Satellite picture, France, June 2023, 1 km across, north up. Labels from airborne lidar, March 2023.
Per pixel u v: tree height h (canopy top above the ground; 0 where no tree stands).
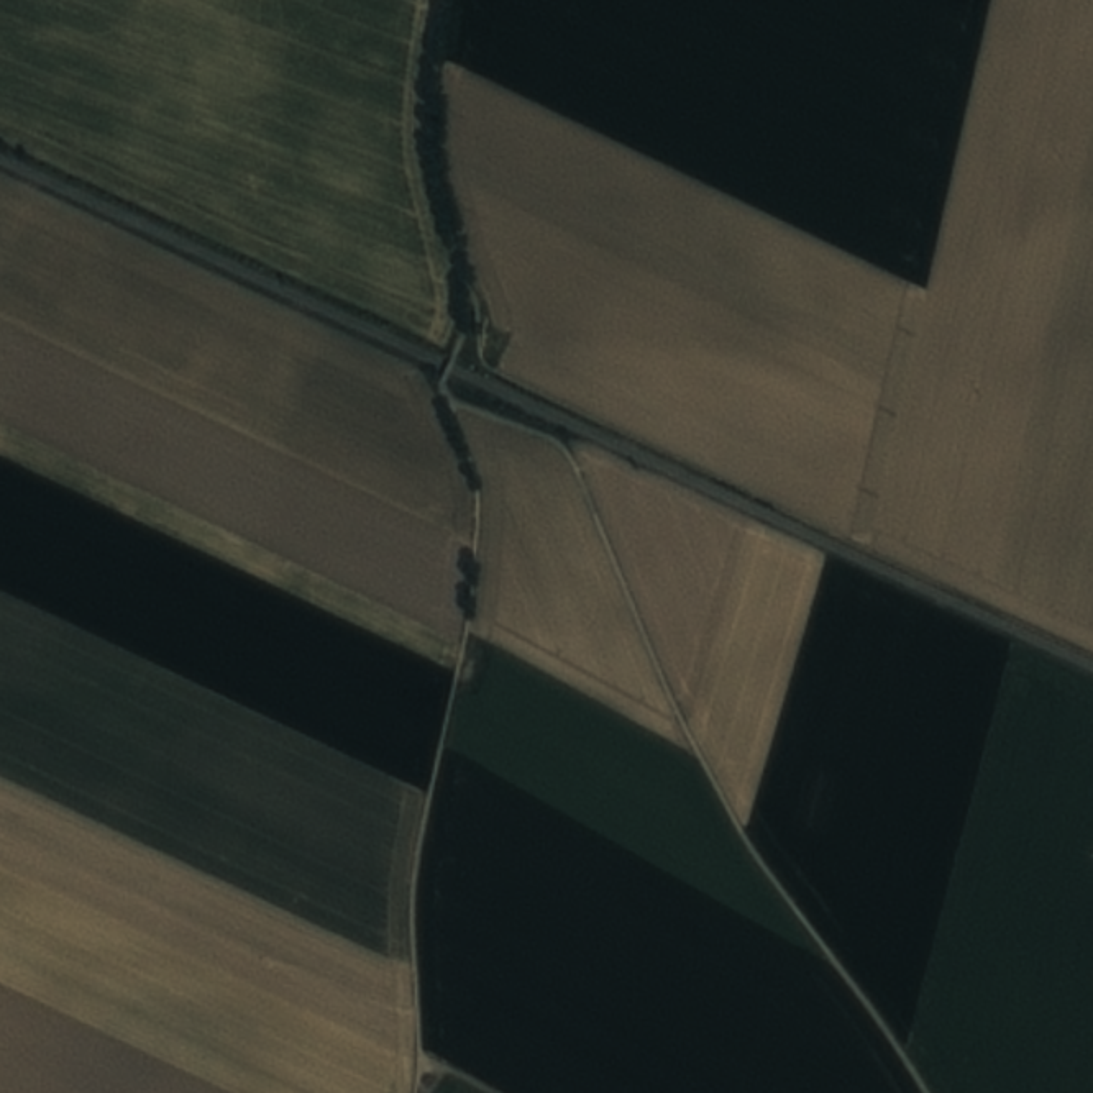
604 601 0
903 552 0
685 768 0
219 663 0
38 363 0
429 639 0
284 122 0
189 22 0
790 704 0
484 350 0
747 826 0
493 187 0
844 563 0
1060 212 0
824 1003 0
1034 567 0
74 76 0
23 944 0
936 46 0
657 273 0
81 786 0
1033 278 0
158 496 0
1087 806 0
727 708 0
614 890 0
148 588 0
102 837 0
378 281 0
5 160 0
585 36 0
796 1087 0
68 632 0
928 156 0
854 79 0
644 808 0
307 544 0
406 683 0
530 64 0
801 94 0
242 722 0
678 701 0
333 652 0
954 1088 0
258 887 0
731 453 0
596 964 0
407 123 0
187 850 0
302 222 0
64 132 0
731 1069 0
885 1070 0
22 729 0
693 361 0
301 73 0
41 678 0
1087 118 0
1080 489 0
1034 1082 0
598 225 0
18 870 0
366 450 0
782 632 0
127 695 0
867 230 0
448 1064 0
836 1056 0
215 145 0
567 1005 0
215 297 0
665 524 0
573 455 0
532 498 0
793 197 0
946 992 0
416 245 0
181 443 0
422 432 0
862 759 0
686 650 0
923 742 0
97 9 0
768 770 0
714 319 0
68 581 0
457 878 0
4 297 0
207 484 0
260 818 0
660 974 0
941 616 0
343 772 0
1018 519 0
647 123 0
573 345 0
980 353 0
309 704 0
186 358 0
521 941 0
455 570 0
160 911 0
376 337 0
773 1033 0
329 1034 0
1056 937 0
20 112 0
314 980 0
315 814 0
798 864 0
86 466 0
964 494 0
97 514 0
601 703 0
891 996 0
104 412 0
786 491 0
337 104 0
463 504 0
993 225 0
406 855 0
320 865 0
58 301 0
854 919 0
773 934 0
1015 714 0
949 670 0
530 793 0
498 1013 0
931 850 0
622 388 0
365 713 0
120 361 0
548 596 0
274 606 0
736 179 0
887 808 0
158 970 0
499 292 0
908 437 0
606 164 0
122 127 0
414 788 0
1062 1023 0
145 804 0
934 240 0
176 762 0
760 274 0
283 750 0
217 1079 0
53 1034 0
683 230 0
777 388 0
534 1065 0
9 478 0
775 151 0
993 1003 0
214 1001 0
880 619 0
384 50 0
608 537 0
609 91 0
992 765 0
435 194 20
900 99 0
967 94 0
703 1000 0
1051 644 0
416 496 0
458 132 0
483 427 0
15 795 0
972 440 0
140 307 0
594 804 0
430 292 0
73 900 0
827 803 0
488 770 0
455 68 0
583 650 0
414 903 0
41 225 0
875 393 0
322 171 0
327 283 0
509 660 0
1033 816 0
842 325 0
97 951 0
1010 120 0
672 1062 0
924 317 0
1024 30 0
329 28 0
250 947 0
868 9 0
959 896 0
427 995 0
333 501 0
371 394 0
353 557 0
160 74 0
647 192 0
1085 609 0
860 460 0
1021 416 0
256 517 0
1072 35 0
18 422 0
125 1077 0
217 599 0
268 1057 0
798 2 0
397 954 0
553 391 0
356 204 0
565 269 0
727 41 0
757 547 0
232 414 0
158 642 0
